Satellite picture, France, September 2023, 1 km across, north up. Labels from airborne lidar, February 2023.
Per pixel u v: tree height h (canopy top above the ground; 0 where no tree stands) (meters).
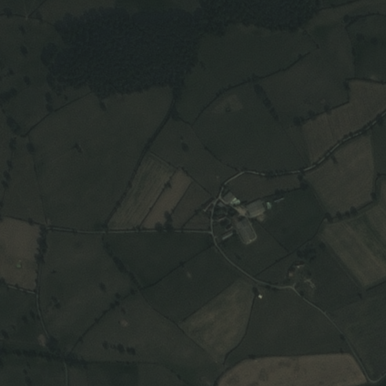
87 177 0
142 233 0
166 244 0
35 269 0
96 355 0
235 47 0
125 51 19
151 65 16
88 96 0
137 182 0
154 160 0
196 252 0
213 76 0
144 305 0
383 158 0
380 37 0
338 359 0
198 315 0
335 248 0
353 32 0
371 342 0
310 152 0
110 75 16
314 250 8
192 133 0
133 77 15
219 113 0
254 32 0
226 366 0
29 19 0
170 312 0
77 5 0
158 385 0
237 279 0
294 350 0
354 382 0
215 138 0
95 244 0
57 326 0
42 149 0
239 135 0
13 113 0
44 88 0
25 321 13
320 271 0
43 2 0
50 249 0
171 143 0
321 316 0
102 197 0
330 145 0
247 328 0
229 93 0
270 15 12
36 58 0
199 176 0
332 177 0
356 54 10
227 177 0
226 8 25
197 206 0
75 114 0
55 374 0
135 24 19
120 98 0
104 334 0
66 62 19
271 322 0
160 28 22
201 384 0
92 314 0
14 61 0
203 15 29
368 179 0
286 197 0
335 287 0
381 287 0
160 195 0
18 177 0
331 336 0
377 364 0
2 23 0
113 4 0
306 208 0
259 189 0
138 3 0
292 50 0
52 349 21
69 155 0
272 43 0
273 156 0
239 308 0
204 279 0
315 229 0
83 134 0
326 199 0
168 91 0
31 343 0
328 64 0
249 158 0
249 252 0
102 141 0
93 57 22
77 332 0
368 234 0
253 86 0
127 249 0
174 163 0
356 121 0
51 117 0
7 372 0
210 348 0
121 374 0
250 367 0
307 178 0
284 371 0
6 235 0
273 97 0
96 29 6
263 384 0
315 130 0
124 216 0
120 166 0
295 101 0
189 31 17
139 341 0
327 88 0
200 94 0
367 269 0
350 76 0
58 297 0
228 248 0
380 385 0
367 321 0
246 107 0
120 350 17
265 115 0
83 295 0
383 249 0
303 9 18
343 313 0
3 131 0
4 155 0
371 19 0
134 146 0
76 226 0
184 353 0
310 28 0
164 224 0
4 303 0
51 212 0
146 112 0
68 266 0
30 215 0
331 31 0
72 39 7
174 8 0
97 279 0
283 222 0
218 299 0
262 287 0
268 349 0
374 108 0
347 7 0
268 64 0
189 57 20
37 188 0
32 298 0
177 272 0
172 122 0
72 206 0
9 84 0
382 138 0
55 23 0
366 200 0
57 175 0
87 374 0
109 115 0
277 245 0
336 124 0
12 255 0
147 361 0
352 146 0
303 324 0
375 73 0
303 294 10
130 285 0
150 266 0
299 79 0
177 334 0
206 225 0
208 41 0
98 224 0
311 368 0
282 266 0
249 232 0
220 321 0
